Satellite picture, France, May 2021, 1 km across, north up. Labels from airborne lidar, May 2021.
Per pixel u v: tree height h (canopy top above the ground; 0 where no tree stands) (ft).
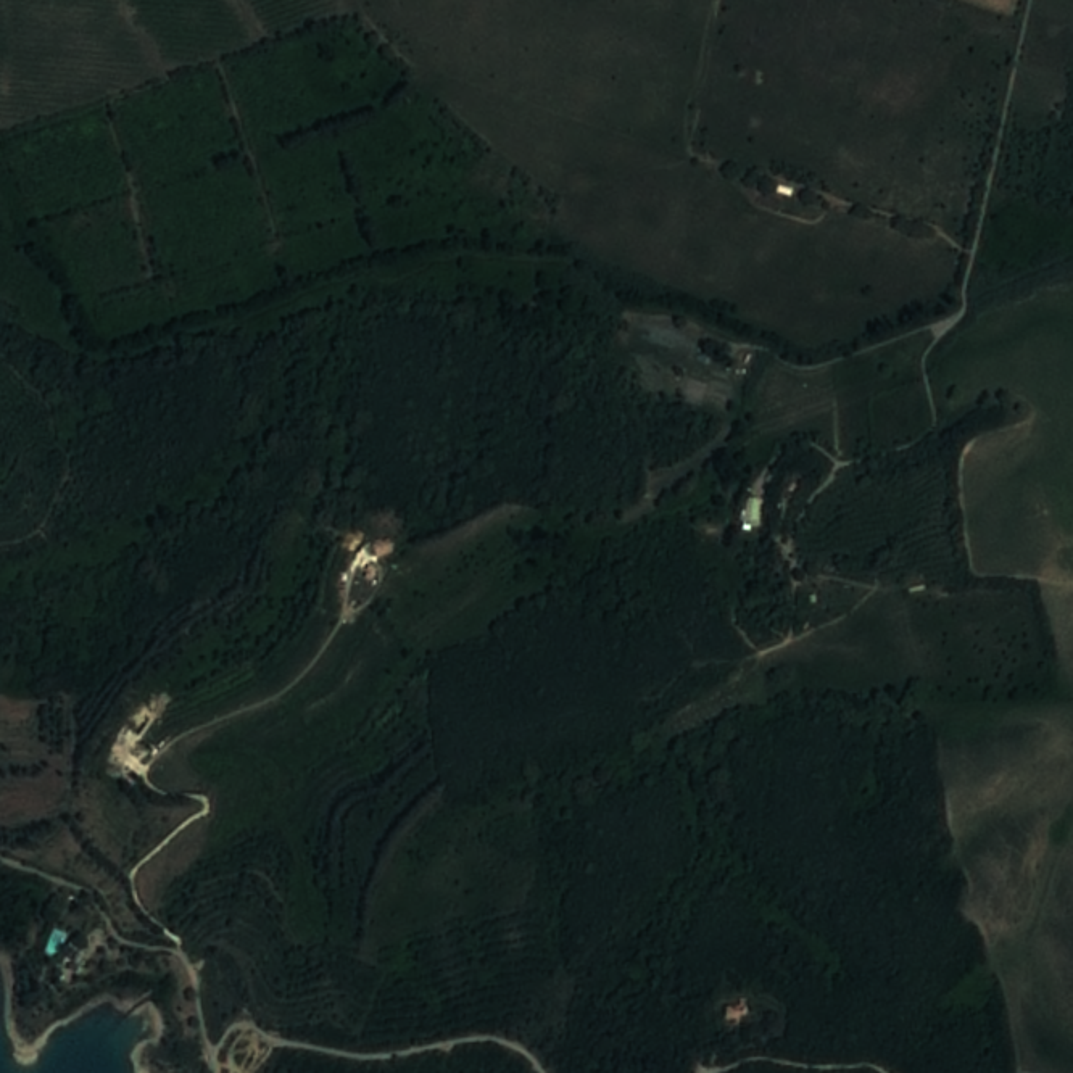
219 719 0
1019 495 0
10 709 0
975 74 0
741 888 22
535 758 25
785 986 17
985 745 0
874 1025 22
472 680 20
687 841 25
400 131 18
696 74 0
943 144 20
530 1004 22
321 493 55
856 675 0
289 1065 19
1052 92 0
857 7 0
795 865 20
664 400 41
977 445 0
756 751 31
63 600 22
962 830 0
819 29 0
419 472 31
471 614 0
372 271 32
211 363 31
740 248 0
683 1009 28
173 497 21
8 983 0
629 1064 40
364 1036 21
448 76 0
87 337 61
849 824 25
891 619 0
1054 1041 0
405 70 31
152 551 28
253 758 0
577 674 26
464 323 36
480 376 21
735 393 0
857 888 20
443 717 24
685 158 0
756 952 24
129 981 37
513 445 28
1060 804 0
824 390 0
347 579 0
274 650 34
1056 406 0
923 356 0
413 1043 27
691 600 20
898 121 0
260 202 23
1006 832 0
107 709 39
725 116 0
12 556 17
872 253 0
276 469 30
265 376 61
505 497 40
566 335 44
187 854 0
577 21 0
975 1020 23
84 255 0
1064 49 0
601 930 22
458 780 19
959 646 0
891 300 0
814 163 0
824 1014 22
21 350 28
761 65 0
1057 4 0
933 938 19
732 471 90
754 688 0
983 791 0
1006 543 0
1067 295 0
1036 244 0
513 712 21
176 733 0
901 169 0
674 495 35
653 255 0
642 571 32
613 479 22
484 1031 17
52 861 0
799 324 0
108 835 0
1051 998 0
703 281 0
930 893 27
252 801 0
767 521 26
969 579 19
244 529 31
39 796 0
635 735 42
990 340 0
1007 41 0
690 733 26
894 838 23
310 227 19
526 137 0
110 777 0
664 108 0
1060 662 0
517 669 22
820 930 27
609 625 39
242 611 25
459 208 18
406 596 0
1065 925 0
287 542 49
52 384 39
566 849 43
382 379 21
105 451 18
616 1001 41
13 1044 0
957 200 0
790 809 18
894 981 32
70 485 19
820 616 0
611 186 0
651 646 18
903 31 0
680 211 0
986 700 21
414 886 0
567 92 0
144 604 21
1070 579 0
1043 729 0
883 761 27
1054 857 0
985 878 0
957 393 39
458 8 0
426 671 33
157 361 42
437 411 25
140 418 21
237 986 18
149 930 30
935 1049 25
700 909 27
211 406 25
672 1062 20
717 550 0
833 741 23
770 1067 20
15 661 23
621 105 0
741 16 0
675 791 21
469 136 22
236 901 27
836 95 0
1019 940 0
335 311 43
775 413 0
